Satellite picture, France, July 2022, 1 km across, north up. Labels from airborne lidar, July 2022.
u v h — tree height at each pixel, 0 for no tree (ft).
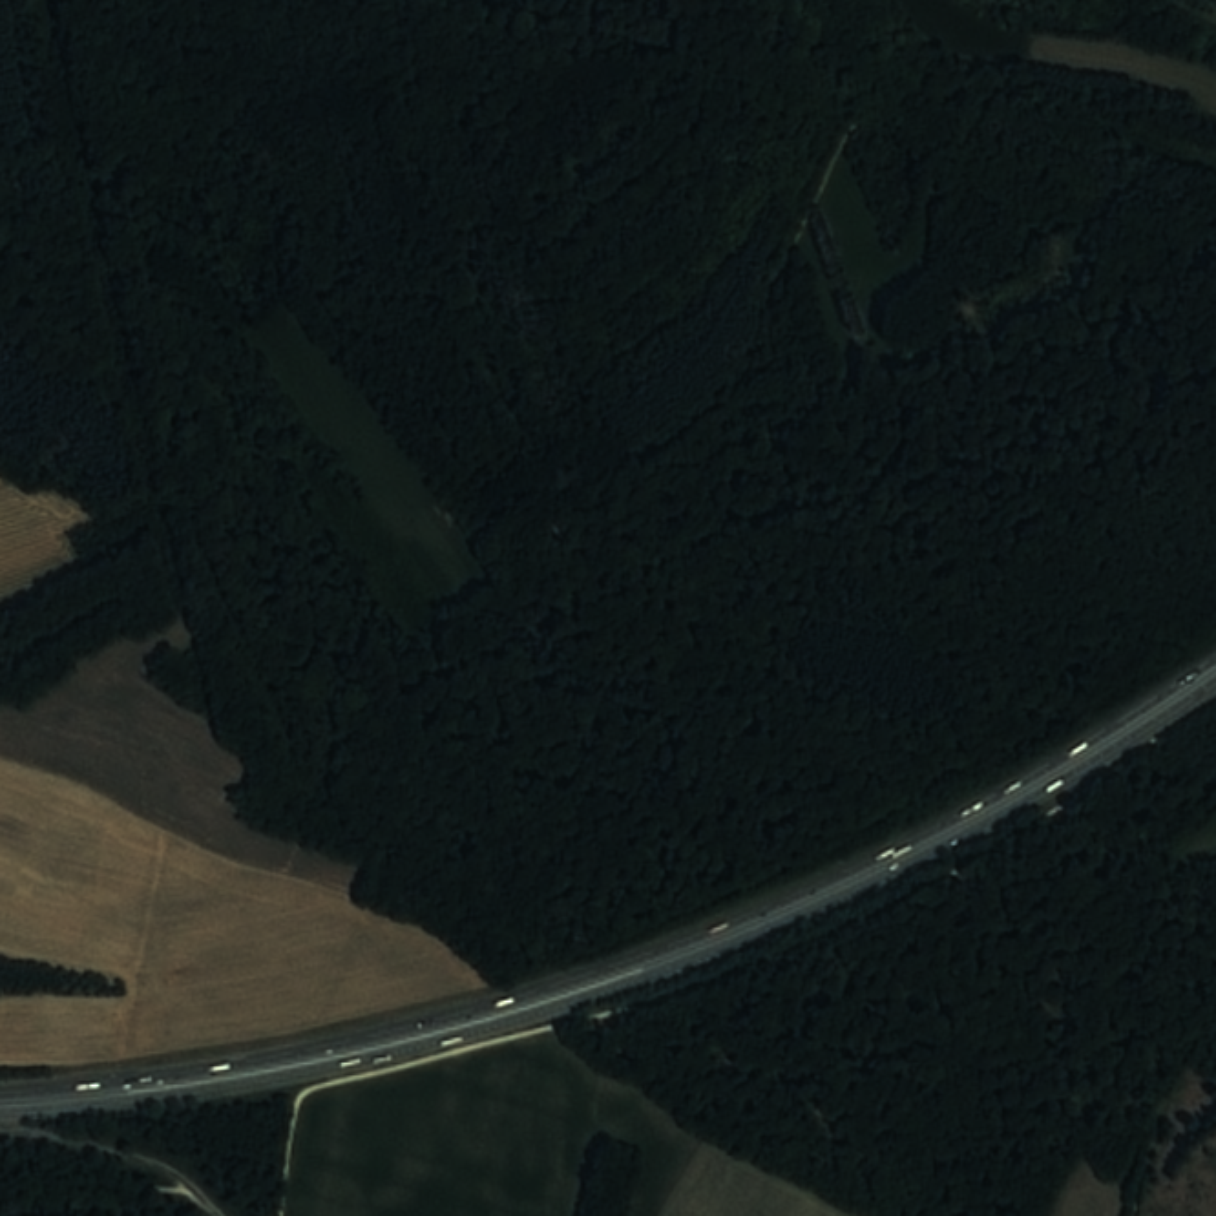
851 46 74
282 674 76
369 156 77
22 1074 26
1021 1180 73
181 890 0
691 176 70
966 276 70
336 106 86
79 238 56
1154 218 92
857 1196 64
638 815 86
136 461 48
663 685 82
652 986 33
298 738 48
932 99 80
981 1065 87
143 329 82
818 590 47
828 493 89
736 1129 80
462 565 0
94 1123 55
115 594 75
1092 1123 73
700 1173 0
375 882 63
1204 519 52
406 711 80
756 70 84
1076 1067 83
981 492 92
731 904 25
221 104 88
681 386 81
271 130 70
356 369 51
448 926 64
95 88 64
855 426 86
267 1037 0
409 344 81
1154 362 110
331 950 0
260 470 71
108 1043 0
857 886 0
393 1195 0
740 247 37
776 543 74
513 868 75
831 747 82
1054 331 96
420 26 92
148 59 78
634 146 91
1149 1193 38
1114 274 100
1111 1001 73
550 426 39
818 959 54
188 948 0
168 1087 0
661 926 35
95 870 0
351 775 84
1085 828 75
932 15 0
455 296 89
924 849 0
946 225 51
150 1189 66
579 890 81
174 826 0
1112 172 55
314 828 68
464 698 86
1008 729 78
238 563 92
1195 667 0
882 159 49
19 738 0
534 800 65
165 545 30
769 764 76
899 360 29
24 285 85
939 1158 66
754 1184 0
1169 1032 79
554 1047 0
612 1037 69
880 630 51
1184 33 62
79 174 35
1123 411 105
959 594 57
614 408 74
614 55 80
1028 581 68
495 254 73
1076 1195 0
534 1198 0
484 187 86
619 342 65
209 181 83
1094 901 63
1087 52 0
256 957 0
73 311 83
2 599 0
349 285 78
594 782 69
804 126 34
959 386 111
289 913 0
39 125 56
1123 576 57
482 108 93
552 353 24
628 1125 0
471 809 80
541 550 74
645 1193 0
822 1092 84
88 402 79
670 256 74
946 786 45
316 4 77
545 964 57
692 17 92
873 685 77
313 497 64
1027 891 85
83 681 0
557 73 87
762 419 84
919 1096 83
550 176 90
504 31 74
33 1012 0
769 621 67
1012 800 0
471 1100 0
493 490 55
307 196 52
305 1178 0
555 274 85
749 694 84
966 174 34
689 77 85
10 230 80
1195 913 76
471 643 79
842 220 0
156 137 80
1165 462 69
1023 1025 87
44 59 58
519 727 73
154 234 68
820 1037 88
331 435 0
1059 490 85
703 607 73
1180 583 65
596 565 75
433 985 0
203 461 74
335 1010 0
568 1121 0
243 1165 64
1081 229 60
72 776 0
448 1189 0
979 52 0
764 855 77
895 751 79
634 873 72
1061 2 62
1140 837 48
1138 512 46
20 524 0
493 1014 0
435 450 78
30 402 83
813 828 81
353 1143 0
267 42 73
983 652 61
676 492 67
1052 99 54
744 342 76
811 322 80
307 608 101
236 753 51
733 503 80
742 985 74
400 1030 0
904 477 83
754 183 41
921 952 77
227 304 29
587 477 75
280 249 50
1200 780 73
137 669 0
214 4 76
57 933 0
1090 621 68
